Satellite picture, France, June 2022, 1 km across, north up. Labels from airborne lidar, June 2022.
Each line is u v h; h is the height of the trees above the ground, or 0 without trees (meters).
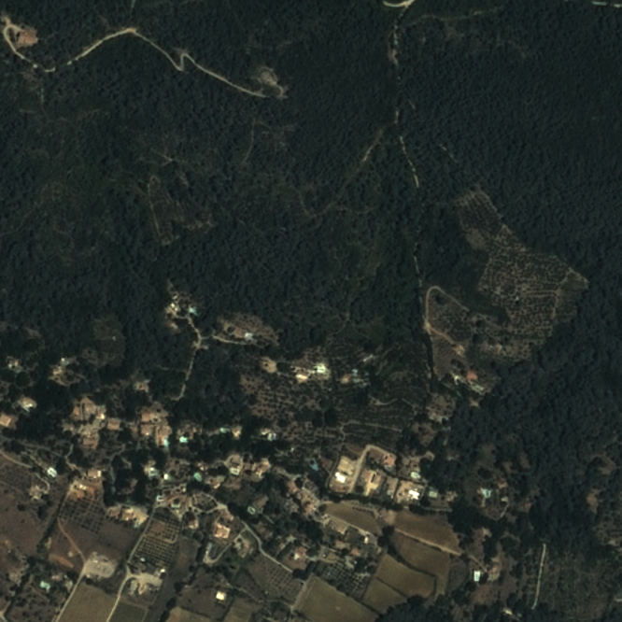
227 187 8
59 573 0
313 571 10
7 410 6
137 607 0
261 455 16
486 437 21
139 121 7
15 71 15
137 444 9
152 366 23
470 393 8
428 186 17
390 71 17
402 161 10
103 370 10
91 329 12
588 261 20
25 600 10
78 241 7
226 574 14
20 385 13
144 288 24
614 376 10
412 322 15
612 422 18
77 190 9
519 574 10
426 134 14
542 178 14
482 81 12
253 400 11
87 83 21
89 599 0
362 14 16
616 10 16
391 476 10
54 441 7
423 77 13
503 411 19
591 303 21
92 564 0
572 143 7
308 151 15
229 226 6
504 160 12
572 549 10
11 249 13
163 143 6
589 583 8
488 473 16
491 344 11
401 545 0
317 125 7
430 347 12
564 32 10
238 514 14
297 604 0
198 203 13
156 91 13
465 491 8
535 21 13
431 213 17
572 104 7
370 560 10
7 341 11
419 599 16
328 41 8
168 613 9
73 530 0
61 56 19
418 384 10
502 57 7
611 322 16
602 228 19
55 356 12
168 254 12
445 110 17
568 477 21
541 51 9
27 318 17
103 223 6
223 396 9
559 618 23
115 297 17
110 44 10
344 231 6
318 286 19
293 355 13
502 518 6
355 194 18
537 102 6
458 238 7
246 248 15
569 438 21
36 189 17
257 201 15
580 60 15
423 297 21
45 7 19
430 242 12
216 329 20
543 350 6
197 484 15
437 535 0
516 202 15
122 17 17
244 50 7
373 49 17
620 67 18
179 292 14
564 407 24
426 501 11
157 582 0
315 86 11
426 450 8
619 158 7
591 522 19
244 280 16
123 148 11
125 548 0
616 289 16
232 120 17
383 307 16
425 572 0
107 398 19
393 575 0
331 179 17
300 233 19
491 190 10
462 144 16
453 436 20
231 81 12
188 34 11
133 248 22
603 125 6
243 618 0
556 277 5
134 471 10
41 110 7
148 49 14
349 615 0
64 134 8
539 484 19
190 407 18
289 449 13
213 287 10
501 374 20
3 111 6
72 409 13
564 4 14
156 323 24
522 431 11
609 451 18
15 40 7
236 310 9
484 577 7
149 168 13
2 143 12
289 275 17
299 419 6
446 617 14
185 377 7
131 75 6
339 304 17
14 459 0
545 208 17
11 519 0
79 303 11
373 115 9
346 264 8
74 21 11
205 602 0
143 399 14
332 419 20
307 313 6
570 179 17
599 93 9
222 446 14
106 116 9
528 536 20
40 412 9
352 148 19
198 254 18
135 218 19
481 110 15
